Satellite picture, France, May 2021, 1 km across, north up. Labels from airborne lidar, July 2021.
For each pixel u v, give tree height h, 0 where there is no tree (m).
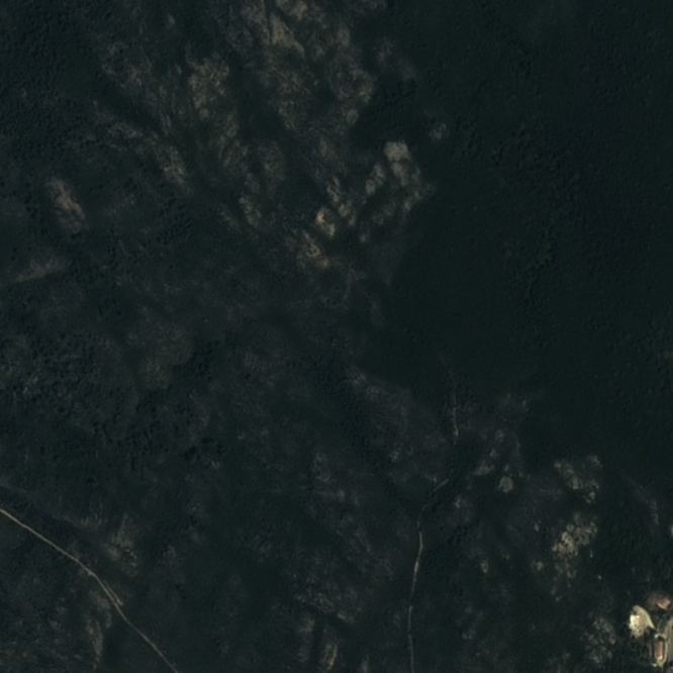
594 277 11
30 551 7
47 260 0
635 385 5
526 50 8
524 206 7
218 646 9
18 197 10
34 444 5
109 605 0
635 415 5
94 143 12
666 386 7
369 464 7
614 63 6
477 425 0
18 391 13
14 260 10
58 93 7
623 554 9
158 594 0
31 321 8
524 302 10
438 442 0
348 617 0
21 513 12
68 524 7
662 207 8
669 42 6
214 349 12
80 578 0
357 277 0
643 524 6
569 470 0
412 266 8
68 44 8
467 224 5
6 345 10
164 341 0
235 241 6
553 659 10
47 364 16
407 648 8
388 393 0
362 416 7
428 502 8
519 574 7
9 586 0
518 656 6
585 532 0
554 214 8
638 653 7
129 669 0
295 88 0
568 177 9
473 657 6
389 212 0
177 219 10
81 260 11
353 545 0
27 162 12
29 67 13
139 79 0
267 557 8
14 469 6
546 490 0
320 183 0
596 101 6
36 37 15
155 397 13
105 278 12
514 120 6
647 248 8
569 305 6
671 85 8
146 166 10
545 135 10
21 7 6
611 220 6
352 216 0
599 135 6
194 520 8
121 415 9
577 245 9
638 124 5
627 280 5
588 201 7
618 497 6
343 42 0
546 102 6
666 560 12
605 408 6
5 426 7
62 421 8
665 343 9
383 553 0
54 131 14
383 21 6
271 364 0
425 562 6
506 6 7
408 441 0
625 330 6
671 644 0
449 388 6
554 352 5
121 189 7
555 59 8
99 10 12
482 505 6
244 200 0
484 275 6
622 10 8
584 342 6
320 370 8
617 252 7
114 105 6
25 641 6
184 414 10
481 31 6
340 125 0
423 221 5
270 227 0
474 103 13
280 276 6
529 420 7
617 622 7
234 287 6
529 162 8
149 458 12
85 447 8
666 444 5
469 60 6
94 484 18
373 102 10
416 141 5
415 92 14
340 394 8
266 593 7
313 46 0
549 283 6
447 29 7
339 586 0
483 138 7
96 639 0
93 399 8
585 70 13
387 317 7
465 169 5
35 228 6
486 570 0
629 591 6
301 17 0
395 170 0
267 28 0
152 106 0
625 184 7
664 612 6
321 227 0
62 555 7
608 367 6
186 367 9
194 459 22
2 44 8
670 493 9
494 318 6
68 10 9
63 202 0
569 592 0
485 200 6
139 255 9
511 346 7
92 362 10
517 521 0
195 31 6
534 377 6
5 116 12
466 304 5
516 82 7
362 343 0
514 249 7
